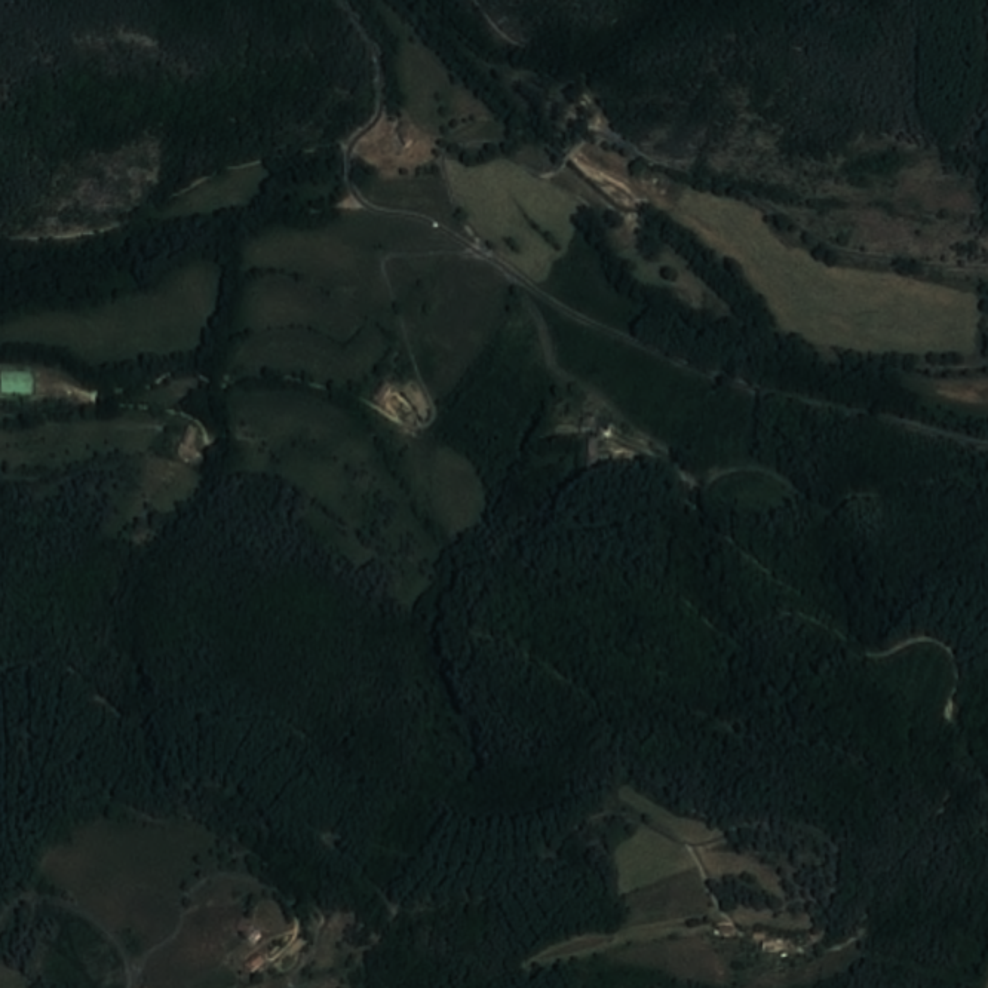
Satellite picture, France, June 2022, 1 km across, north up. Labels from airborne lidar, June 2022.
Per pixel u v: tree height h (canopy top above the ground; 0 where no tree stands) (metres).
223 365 19
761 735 24
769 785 18
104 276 16
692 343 28
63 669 25
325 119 8
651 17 21
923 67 29
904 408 14
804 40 15
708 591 11
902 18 15
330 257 0
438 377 0
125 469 6
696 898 0
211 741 23
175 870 0
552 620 15
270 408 0
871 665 22
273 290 0
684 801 22
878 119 12
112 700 21
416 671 17
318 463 0
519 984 26
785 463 12
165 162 7
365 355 0
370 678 28
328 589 22
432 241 0
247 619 24
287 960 0
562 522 32
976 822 24
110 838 0
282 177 20
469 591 22
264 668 21
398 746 24
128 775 31
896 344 0
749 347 29
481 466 12
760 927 7
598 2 9
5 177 12
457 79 17
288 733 21
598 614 14
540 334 0
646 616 12
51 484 9
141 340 0
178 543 18
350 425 0
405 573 8
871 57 24
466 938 18
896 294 0
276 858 14
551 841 24
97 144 14
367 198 0
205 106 21
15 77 13
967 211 0
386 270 0
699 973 0
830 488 12
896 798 10
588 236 27
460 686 20
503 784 26
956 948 13
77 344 0
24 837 26
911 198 0
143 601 26
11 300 15
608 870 20
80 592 19
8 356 13
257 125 10
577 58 13
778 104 9
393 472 7
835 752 14
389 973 11
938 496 15
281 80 16
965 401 0
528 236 0
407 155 0
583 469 10
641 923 0
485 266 0
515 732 21
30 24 12
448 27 11
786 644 19
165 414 7
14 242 11
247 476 14
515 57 21
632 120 10
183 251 27
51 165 8
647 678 14
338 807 24
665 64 7
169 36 12
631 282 31
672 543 12
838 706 17
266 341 0
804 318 0
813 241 10
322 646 20
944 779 7
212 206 0
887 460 13
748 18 12
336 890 15
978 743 19
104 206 0
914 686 0
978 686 17
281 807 23
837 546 11
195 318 0
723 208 0
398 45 23
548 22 11
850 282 0
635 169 18
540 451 19
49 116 23
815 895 14
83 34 11
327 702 24
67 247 8
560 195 0
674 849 0
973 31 29
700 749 19
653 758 12
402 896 23
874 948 14
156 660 16
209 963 0
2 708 24
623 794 0
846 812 10
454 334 0
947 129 27
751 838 15
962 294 0
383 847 6
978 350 0
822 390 17
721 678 22
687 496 21
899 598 17
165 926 0
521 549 21
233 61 16
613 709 19
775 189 7
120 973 0
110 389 10
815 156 8
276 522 15
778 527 27
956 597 32
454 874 28
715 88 12
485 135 0
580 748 20
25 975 15
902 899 17
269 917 0
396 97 14
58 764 24
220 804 13
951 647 24
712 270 17
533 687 25
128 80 10
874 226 0
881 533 15
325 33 10
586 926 20
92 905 0
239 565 24
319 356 0
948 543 21
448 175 0
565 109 26
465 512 0
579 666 12
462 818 21
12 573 21
